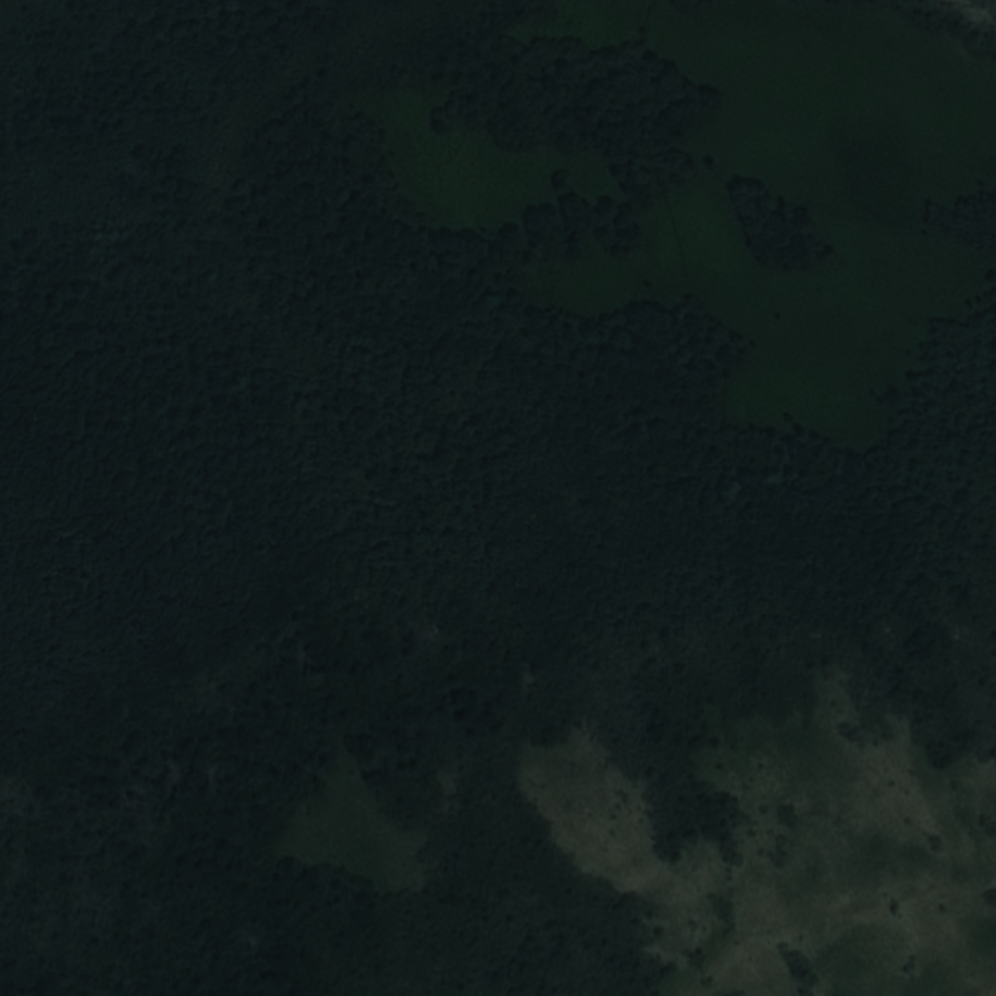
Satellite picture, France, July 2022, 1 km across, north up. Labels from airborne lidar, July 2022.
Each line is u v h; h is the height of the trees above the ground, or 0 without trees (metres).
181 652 23
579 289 0
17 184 9
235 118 7
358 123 9
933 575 8
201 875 20
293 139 21
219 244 13
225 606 21
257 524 18
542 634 22
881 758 0
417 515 10
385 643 10
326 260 23
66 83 8
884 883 0
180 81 8
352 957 7
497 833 6
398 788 10
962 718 7
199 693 9
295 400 17
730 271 0
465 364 31
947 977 0
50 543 30
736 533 26
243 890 19
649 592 21
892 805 0
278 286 26
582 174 0
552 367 28
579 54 10
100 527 31
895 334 0
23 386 29
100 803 20
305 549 15
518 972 9
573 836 0
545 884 9
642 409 23
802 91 0
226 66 19
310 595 10
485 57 10
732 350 25
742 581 21
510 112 12
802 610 19
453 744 8
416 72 11
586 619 15
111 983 11
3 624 28
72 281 8
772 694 7
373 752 17
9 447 29
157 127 7
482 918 8
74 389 27
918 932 0
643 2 0
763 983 0
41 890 9
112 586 27
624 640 7
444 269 31
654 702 7
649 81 32
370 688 9
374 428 23
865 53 0
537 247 12
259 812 17
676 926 0
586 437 28
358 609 16
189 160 8
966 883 0
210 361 8
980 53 8
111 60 9
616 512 32
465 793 7
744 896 0
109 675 26
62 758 12
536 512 25
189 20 18
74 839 13
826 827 0
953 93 0
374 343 20
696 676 7
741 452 9
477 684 11
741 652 11
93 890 7
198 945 9
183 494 22
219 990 13
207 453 15
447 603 18
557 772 0
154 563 25
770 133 0
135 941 12
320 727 10
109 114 15
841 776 0
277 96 10
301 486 16
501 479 29
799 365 0
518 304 30
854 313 0
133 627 23
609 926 9
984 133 0
